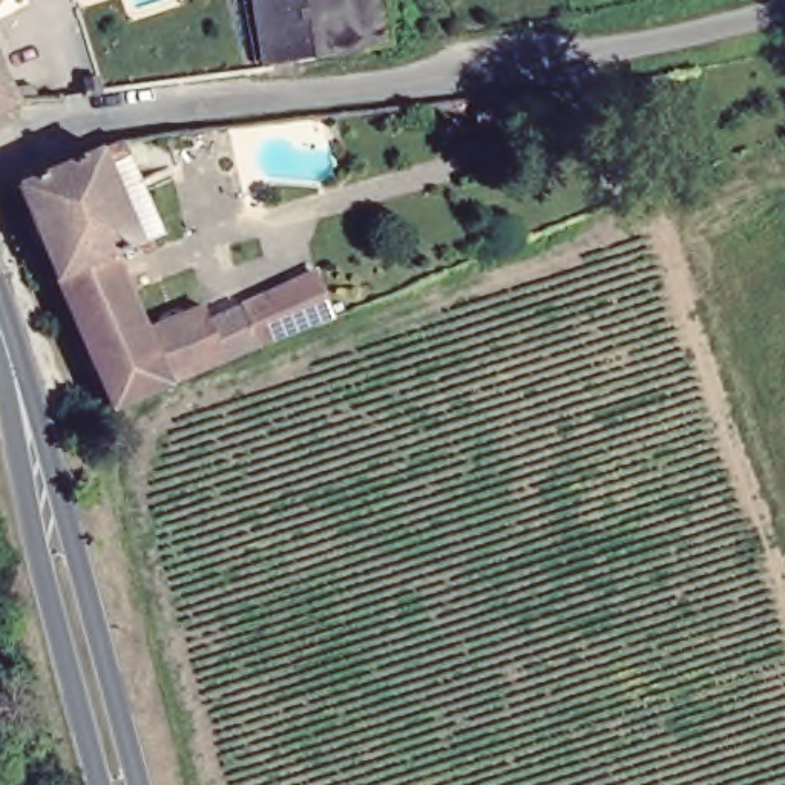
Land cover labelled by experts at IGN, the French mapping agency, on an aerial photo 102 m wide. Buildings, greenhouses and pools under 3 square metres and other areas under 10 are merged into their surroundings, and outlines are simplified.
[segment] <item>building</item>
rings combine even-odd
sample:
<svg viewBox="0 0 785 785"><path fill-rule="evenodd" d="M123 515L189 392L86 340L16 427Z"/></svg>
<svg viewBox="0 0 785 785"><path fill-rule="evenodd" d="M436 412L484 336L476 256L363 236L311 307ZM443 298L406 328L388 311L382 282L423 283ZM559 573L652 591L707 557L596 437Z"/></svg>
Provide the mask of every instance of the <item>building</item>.
<svg viewBox="0 0 785 785"><path fill-rule="evenodd" d="M126 153L129 141L107 144L89 150L80 159L58 163L37 178L25 178L21 187L40 239L49 251L49 261L58 279L104 389L113 402L113 411L120 411L126 408L126 405L138 405L138 402L144 402L144 399L150 399L150 396L153 396L156 389L169 389L169 383L187 380L196 371L205 371L212 365L245 356L258 347L276 343L297 331L337 319L343 307L331 301L322 270L304 270L304 276L267 294L258 294L221 316L209 316L209 301L193 301L193 307L184 313L150 322L147 285L129 279L126 264L138 245L163 236L166 230L147 190L141 169Z"/></svg>
<svg viewBox="0 0 785 785"><path fill-rule="evenodd" d="M353 52L362 46L380 49L380 43L386 40L383 6L389 0L258 0L258 64L294 61L304 55Z"/></svg>

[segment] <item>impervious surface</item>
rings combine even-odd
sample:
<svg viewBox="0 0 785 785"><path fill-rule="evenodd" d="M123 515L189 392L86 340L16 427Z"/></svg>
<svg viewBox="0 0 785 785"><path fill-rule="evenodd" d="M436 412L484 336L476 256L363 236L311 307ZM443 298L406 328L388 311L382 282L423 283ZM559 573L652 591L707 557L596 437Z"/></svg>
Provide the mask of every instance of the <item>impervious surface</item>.
<svg viewBox="0 0 785 785"><path fill-rule="evenodd" d="M49 644L49 656L55 665L67 727L71 733L80 767L83 785L150 785L120 659L101 607L89 543L80 540L80 509L80 484L64 469L67 451L46 442L46 423L67 417L67 411L58 408L61 396L55 389L49 389L40 380L28 337L18 331L15 304L0 288L0 537L12 549L18 549L21 558L31 570L31 586L43 635Z"/></svg>
<svg viewBox="0 0 785 785"><path fill-rule="evenodd" d="M126 15L135 21L172 12L169 0L129 0Z"/></svg>
<svg viewBox="0 0 785 785"><path fill-rule="evenodd" d="M534 80L530 64L537 58L543 61L543 67L583 55L589 55L592 61L604 61L629 61L656 52L754 34L760 25L785 25L785 0L733 0L721 12L647 31L573 37L570 31L540 21L527 34L503 34L494 49L484 43L484 37L454 40L435 55L365 74L251 83L258 71L248 67L132 86L107 86L101 74L89 74L98 64L98 58L92 46L92 31L86 25L89 0L0 0L0 187L21 187L25 178L37 178L58 163L80 159L89 150L107 144L129 141L144 141L153 135L196 132L230 129L233 169L239 172L239 184L251 187L258 181L294 187L294 178L276 178L258 166L261 144L285 141L304 150L331 147L334 132L325 126L328 117L399 117L420 104L429 104L435 113L466 110L466 101L457 92L457 80L463 74L472 86L481 86L484 80L491 80L494 74L484 64L488 55L518 71L524 80Z"/></svg>

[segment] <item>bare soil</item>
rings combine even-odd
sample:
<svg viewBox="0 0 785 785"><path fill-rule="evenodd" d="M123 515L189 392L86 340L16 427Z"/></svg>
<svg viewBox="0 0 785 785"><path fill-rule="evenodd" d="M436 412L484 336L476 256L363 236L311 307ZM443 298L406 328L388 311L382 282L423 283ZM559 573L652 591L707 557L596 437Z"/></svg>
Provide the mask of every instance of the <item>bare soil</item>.
<svg viewBox="0 0 785 785"><path fill-rule="evenodd" d="M472 285L442 288L448 304L573 267L580 264L583 251L601 248L622 236L616 215L607 212L589 233L540 258L527 258L488 270Z"/></svg>
<svg viewBox="0 0 785 785"><path fill-rule="evenodd" d="M163 405L156 408L156 414L150 414L150 417L141 417L141 423L135 426L141 432L141 445L129 460L129 481L138 497L138 509L150 509L147 475L156 457L156 442L163 429L172 426L172 417L196 405L212 405L236 393L251 393L288 380L294 374L304 374L313 359L337 353L334 347L316 340L301 347L297 353L276 359L261 374L230 371L193 386L187 380L169 383L169 389L156 389L153 396L156 396L156 399L159 399Z"/></svg>

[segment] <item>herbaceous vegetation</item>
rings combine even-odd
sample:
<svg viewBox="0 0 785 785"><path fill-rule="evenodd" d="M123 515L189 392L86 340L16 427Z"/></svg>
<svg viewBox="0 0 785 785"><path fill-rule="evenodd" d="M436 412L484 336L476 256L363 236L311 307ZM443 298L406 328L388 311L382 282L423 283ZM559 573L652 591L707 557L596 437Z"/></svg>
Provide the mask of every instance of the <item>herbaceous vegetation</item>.
<svg viewBox="0 0 785 785"><path fill-rule="evenodd" d="M40 714L49 721L49 730L55 736L61 736L67 727L55 665L49 656L49 644L43 635L31 586L31 570L21 558L12 580L12 592L21 604L25 650L37 665Z"/></svg>
<svg viewBox="0 0 785 785"><path fill-rule="evenodd" d="M494 49L503 34L527 34L540 21L570 31L573 37L647 31L721 12L733 0L463 0L469 6L472 21L460 25L454 31L454 40L484 37L484 43Z"/></svg>
<svg viewBox="0 0 785 785"><path fill-rule="evenodd" d="M230 248L236 264L258 261L264 255L261 239L242 239Z"/></svg>
<svg viewBox="0 0 785 785"><path fill-rule="evenodd" d="M420 190L393 196L386 202L353 202L343 215L319 218L310 239L310 251L322 270L331 301L343 307L337 319L297 331L276 343L258 347L245 356L212 365L205 371L196 371L187 380L193 386L230 371L261 374L276 359L297 353L301 347L316 340L334 347L337 353L383 334L417 328L435 319L435 313L448 304L442 288L472 285L488 270L481 261L469 258L469 251L457 251L454 242L463 236L463 224L472 224L478 218L478 202L506 209L530 230L524 245L527 258L540 258L589 233L607 212L586 212L586 178L576 178L570 184L552 181L552 193L546 196L546 202L515 199L506 190L506 184L512 184L515 178L503 166L509 117L521 113L521 104L534 98L549 113L573 117L586 95L586 86L592 86L592 74L604 67L604 61L592 61L589 55L583 55L543 67L543 61L537 58L530 64L534 80L524 80L518 71L488 55L484 64L494 74L491 80L484 80L481 86L472 86L463 74L457 80L457 92L466 101L466 110L435 113L435 126L426 138L420 132L402 129L399 117L328 117L325 126L334 132L331 147L334 159L340 153L353 153L356 163L350 175L374 178L393 169L408 169L442 156L451 166L451 178L445 184L423 184ZM380 212L386 205L417 227L420 255L411 258L411 267L383 267L383 261L371 258L374 227L380 224Z"/></svg>
<svg viewBox="0 0 785 785"><path fill-rule="evenodd" d="M307 199L313 196L313 187L301 187L294 187L258 181L251 187L251 196L264 205Z"/></svg>
<svg viewBox="0 0 785 785"><path fill-rule="evenodd" d="M184 629L175 619L172 589L159 564L156 540L159 534L169 534L169 524L150 518L150 509L138 509L138 497L129 481L129 460L110 463L120 472L120 481L101 494L101 503L80 509L80 540L89 543L101 607L120 659L150 785L227 785L218 767L209 711L199 702L199 684L190 668Z"/></svg>
<svg viewBox="0 0 785 785"><path fill-rule="evenodd" d="M184 150L193 144L196 132L153 135L144 141L159 150Z"/></svg>
<svg viewBox="0 0 785 785"><path fill-rule="evenodd" d="M150 322L184 313L193 307L193 301L193 270L172 273L147 285Z"/></svg>
<svg viewBox="0 0 785 785"><path fill-rule="evenodd" d="M71 733L58 742L55 754L67 773L80 767Z"/></svg>
<svg viewBox="0 0 785 785"><path fill-rule="evenodd" d="M144 399L144 402L138 402L138 405L126 405L126 408L120 411L120 414L123 414L123 417L126 417L126 420L129 420L129 423L135 426L141 423L141 417L150 417L150 414L156 414L156 408L163 405L159 399L156 399L156 396L153 396L150 396L150 399Z"/></svg>
<svg viewBox="0 0 785 785"><path fill-rule="evenodd" d="M92 46L98 58L98 64L89 74L101 74L107 86L132 86L248 67L258 71L251 83L365 74L435 55L454 40L438 25L417 31L417 21L405 21L405 28L399 31L396 21L405 18L402 6L408 0L389 0L383 6L386 40L380 43L380 49L362 46L353 52L304 55L294 61L258 64L258 0L169 0L172 12L135 21L126 15L129 0L89 0L86 25L92 31Z"/></svg>
<svg viewBox="0 0 785 785"><path fill-rule="evenodd" d="M693 319L699 319L702 334L708 337L708 350L718 362L718 374L727 393L730 420L754 469L760 500L770 506L776 546L785 555L785 25L760 25L754 34L656 52L629 61L635 71L647 71L650 80L665 74L672 74L672 80L690 80L696 86L699 132L714 129L727 104L745 98L751 89L764 89L764 107L757 113L742 113L730 129L724 129L714 138L718 147L733 147L736 178L721 187L721 196L711 205L675 212L672 218L696 288Z"/></svg>
<svg viewBox="0 0 785 785"><path fill-rule="evenodd" d="M159 184L147 190L166 230L172 239L184 236L178 187Z"/></svg>

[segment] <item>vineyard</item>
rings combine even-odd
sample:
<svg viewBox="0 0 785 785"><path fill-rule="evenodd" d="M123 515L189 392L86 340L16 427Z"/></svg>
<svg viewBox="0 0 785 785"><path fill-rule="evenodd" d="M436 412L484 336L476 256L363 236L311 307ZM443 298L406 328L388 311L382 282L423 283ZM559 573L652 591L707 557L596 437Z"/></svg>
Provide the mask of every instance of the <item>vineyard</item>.
<svg viewBox="0 0 785 785"><path fill-rule="evenodd" d="M383 334L337 353L313 359L304 374L294 374L288 380L251 393L236 393L212 405L196 405L172 417L172 426L163 429L156 442L156 457L147 475L150 509L150 518L169 524L169 534L159 534L156 540L159 564L172 589L175 619L184 629L190 668L199 684L199 702L209 711L218 767L227 785L785 785L785 632L776 613L776 601L760 573L760 537L742 515L730 472L724 469L724 460L718 454L714 423L708 420L708 408L693 371L693 353L678 343L675 325L665 319L659 261L647 245L647 236L622 236L601 248L583 251L580 264L573 267L448 304L435 313L435 319L417 328Z"/></svg>

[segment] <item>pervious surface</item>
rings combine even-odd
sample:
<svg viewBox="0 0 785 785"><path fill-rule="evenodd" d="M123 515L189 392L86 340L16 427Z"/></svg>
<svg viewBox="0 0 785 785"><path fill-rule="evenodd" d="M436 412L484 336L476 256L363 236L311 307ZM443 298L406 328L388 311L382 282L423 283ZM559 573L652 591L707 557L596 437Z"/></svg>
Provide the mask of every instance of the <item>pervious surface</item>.
<svg viewBox="0 0 785 785"><path fill-rule="evenodd" d="M386 202L393 196L420 190L423 184L445 184L451 178L451 166L442 156L408 169L393 169L374 178L350 175L331 187L322 178L304 181L301 187L313 187L313 196L307 199L264 205L251 196L251 187L239 184L239 172L233 169L230 129L196 132L193 144L184 150L159 150L144 141L129 141L126 153L141 169L147 190L159 184L178 187L184 236L172 239L166 230L163 236L138 245L126 264L129 279L147 285L172 273L193 270L193 301L209 301L209 316L221 316L258 294L267 294L304 276L304 270L322 270L310 251L310 239L319 218L343 215L353 202ZM242 239L261 239L264 255L258 261L236 264L230 248Z"/></svg>
<svg viewBox="0 0 785 785"><path fill-rule="evenodd" d="M61 380L67 380L67 374L92 396L101 396L104 389L58 279L46 285L37 297L21 282L21 273L31 264L40 261L40 267L46 267L49 261L49 251L40 239L21 187L0 187L0 288L15 304L18 331L28 337L40 380L49 389L55 389ZM31 328L31 313L37 304L58 322L58 334L52 340Z"/></svg>
<svg viewBox="0 0 785 785"><path fill-rule="evenodd" d="M776 613L785 632L785 555L776 546L770 506L760 500L754 469L730 420L727 393L718 374L718 362L708 350L708 337L702 334L699 319L693 319L696 288L672 218L650 218L647 236L647 245L659 261L665 319L675 325L678 343L693 353L693 371L708 408L708 420L714 423L718 454L724 460L724 469L730 472L742 515L760 537L760 573L776 601Z"/></svg>

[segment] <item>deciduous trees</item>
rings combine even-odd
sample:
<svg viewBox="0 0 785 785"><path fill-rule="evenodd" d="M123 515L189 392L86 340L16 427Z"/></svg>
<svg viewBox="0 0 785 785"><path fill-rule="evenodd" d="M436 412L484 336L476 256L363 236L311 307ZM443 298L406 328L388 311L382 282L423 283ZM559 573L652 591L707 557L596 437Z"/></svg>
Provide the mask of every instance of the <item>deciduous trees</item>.
<svg viewBox="0 0 785 785"><path fill-rule="evenodd" d="M37 304L31 313L31 328L52 340L58 334L58 322Z"/></svg>
<svg viewBox="0 0 785 785"><path fill-rule="evenodd" d="M426 138L435 126L435 113L429 104L420 104L399 117L402 129L420 132Z"/></svg>
<svg viewBox="0 0 785 785"><path fill-rule="evenodd" d="M420 255L417 227L386 205L380 212L380 224L374 227L371 258L383 261L383 267L411 267L411 258Z"/></svg>
<svg viewBox="0 0 785 785"><path fill-rule="evenodd" d="M49 261L46 267L40 267L40 261L31 264L21 273L21 282L37 297L46 285L58 279Z"/></svg>
<svg viewBox="0 0 785 785"><path fill-rule="evenodd" d="M417 21L417 31L438 25L454 40L454 31L460 25L472 21L469 6L463 0L408 0L402 6L405 18L396 21L399 31L405 28L405 21Z"/></svg>
<svg viewBox="0 0 785 785"><path fill-rule="evenodd" d="M356 163L353 153L340 153L334 159L334 169L328 169L322 178L331 187L350 175Z"/></svg>
<svg viewBox="0 0 785 785"><path fill-rule="evenodd" d="M12 592L12 580L21 558L18 549L12 549L0 537L0 785L83 785L80 767L67 773L55 754L58 742L71 733L67 727L61 736L55 736L49 730L49 721L40 714L37 665L25 650L21 604Z"/></svg>
<svg viewBox="0 0 785 785"><path fill-rule="evenodd" d="M552 193L552 181L570 184L576 178L586 178L586 212L607 212L616 215L622 236L647 236L650 218L672 218L675 212L711 205L721 196L721 187L736 178L733 147L718 147L714 138L724 129L730 129L742 113L757 113L764 107L764 89L751 89L745 98L727 104L714 129L699 132L696 86L690 80L672 80L672 74L665 74L650 80L647 71L635 71L629 61L604 61L604 67L592 74L592 86L586 86L586 95L573 117L549 113L534 98L521 104L521 113L509 117L503 166L515 178L512 184L506 184L506 190L515 199L546 202L546 196Z"/></svg>
<svg viewBox="0 0 785 785"><path fill-rule="evenodd" d="M61 396L58 408L67 411L67 417L46 423L46 442L67 451L64 469L80 484L80 509L101 503L101 494L120 481L120 472L110 463L129 460L141 445L141 432L135 426L129 423L129 420L126 420L126 417L123 417L123 414L120 414L120 411L113 411L113 402L104 389L101 396L92 396L67 374L67 380L61 380L55 389Z"/></svg>
<svg viewBox="0 0 785 785"><path fill-rule="evenodd" d="M454 242L457 251L469 251L469 258L481 261L488 270L527 258L524 245L530 230L506 209L478 202L478 218L472 224L463 224L463 236Z"/></svg>

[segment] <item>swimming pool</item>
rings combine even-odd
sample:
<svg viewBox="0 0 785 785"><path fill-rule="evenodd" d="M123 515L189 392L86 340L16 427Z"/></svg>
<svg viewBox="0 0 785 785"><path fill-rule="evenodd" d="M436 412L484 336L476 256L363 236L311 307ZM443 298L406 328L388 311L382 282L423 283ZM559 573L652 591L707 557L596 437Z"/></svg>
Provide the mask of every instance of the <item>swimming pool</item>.
<svg viewBox="0 0 785 785"><path fill-rule="evenodd" d="M304 181L322 178L328 169L334 169L334 159L331 147L304 150L285 141L261 144L258 166L276 178L294 178L294 187L301 187Z"/></svg>

